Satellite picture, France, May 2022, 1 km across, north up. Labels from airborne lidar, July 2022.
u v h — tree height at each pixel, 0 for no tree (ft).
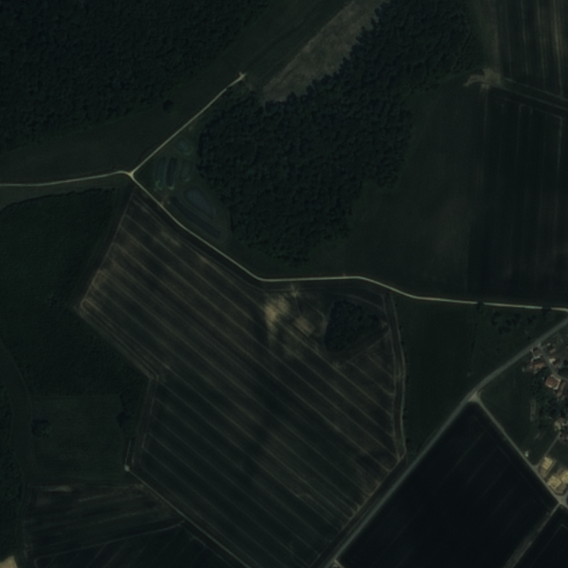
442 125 0
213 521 0
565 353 0
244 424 0
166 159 0
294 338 0
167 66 65
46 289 19
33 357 37
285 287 0
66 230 23
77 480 0
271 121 67
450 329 0
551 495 0
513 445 0
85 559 0
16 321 22
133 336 0
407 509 0
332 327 63
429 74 58
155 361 0
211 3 72
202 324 0
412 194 0
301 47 0
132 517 0
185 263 0
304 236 70
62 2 85
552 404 21
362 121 64
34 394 29
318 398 0
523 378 0
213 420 0
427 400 0
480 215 0
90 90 69
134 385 40
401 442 0
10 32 84
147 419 0
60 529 0
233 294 0
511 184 0
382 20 82
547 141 0
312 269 0
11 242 21
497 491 0
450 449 0
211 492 0
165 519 0
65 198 27
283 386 0
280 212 66
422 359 0
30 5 96
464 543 0
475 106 0
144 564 0
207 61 63
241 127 79
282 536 0
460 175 0
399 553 0
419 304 0
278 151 59
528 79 0
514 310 0
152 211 0
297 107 68
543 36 0
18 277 22
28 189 0
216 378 0
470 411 0
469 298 0
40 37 79
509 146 0
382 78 85
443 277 0
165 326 0
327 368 0
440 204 0
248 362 0
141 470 0
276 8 0
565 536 0
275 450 0
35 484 0
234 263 0
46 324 29
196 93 0
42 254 21
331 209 23
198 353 0
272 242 48
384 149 73
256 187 82
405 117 79
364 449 0
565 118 0
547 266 0
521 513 0
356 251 0
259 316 0
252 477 0
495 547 0
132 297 0
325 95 61
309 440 0
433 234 0
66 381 44
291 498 0
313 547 0
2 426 61
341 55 0
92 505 0
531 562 0
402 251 0
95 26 71
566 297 0
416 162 0
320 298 0
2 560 22
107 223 27
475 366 0
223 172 75
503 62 0
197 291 0
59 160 0
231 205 75
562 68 0
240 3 71
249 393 0
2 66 76
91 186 0
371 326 74
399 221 0
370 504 0
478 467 0
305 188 57
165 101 31
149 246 0
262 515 0
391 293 0
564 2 0
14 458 34
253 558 0
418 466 0
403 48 48
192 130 0
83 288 0
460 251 0
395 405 0
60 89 72
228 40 60
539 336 0
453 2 66
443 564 0
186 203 0
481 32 0
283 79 0
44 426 66
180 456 0
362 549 0
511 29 0
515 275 0
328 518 0
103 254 0
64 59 68
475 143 0
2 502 71
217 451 0
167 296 0
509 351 0
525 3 0
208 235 0
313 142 77
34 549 0
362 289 0
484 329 0
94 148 0
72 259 23
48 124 61
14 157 0
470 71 25
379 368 0
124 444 0
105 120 55
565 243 0
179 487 0
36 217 28
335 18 0
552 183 0
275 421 0
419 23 63
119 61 79
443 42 65
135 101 70
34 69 75
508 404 0
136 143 0
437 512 0
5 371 0
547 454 0
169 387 0
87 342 32
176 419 0
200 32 67
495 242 0
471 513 0
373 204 0
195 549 0
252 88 0
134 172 0
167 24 62
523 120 0
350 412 0
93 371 41
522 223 0
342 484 0
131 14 65
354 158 72
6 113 73
